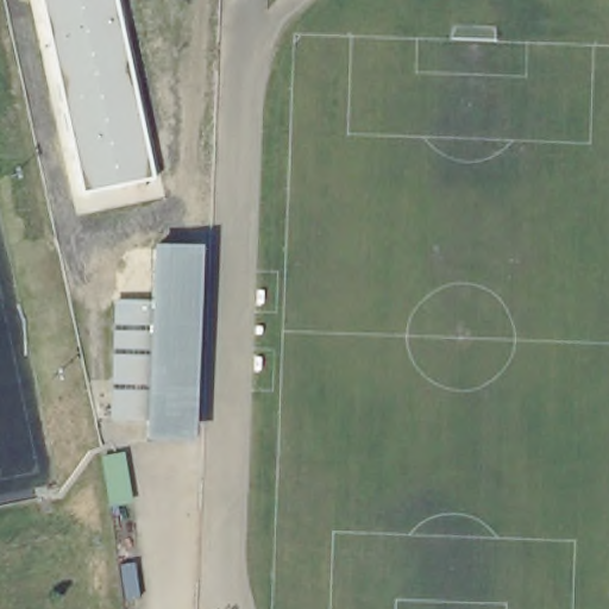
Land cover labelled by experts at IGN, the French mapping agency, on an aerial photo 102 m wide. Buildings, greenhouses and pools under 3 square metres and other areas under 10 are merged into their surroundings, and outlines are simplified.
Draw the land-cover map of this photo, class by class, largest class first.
<instances>
[{"label":"herbaceous vegetation","instance_id":"1","mask_svg":"<svg viewBox=\"0 0 609 609\"><path fill-rule=\"evenodd\" d=\"M5 0H0V609H121L119 559L114 554L112 542V507L102 466L105 457V454H95L86 471L79 476V481L67 490V495L52 500L50 514H43L40 504L33 500L36 488H52L55 483L62 485L83 457V452L100 445L95 414L88 395V385L93 383V378L88 352V309L79 297L74 300V309H69L67 302V290L59 271L55 224L48 216L45 188L40 183V171L36 162V143L31 138L33 126L26 117V98L12 95L10 62L2 45V33L7 31ZM193 0H121L157 174H176L178 167V69L181 62H186L190 48ZM257 281L264 290V305L257 312L262 335H255L257 354L262 357V371L257 373L252 385V450L245 542L247 580L255 609H609V0H314L281 31L264 93L257 257ZM209 43L205 69V109L197 126V171L209 174L214 64L221 59V45L216 40V19H209L207 24ZM136 209L133 205L86 214L81 224L86 231L117 228L121 221L131 216V212ZM114 305H109L100 316L102 369L105 378H112Z\"/></svg>","mask_w":609,"mask_h":609},{"label":"impervious surface","instance_id":"2","mask_svg":"<svg viewBox=\"0 0 609 609\"><path fill-rule=\"evenodd\" d=\"M74 207L76 212L86 214L133 205L164 195L159 174H157L90 190L83 186L79 150L71 131V114L62 86L45 0H31ZM216 40L221 45V59L214 64L209 174L214 181L209 226L221 228V250L216 247L205 252L200 362V421L205 423L200 426L197 438L205 442V450L200 471L202 495L197 504L193 609H255L247 580L245 542L252 450V385L257 373L262 371V357L257 354L255 335H262L257 312L264 305V290L257 281V257L264 93L281 31L314 0H216ZM155 250L143 247L126 252V266L117 274V288L124 290L121 297L152 300L150 290L155 281ZM95 454H105L100 445L83 452V457L62 485L55 483L52 488H36L33 500L40 504L43 514H50L52 500L67 495V490L79 481V476L86 471Z\"/></svg>","mask_w":609,"mask_h":609},{"label":"pervious surface","instance_id":"3","mask_svg":"<svg viewBox=\"0 0 609 609\"><path fill-rule=\"evenodd\" d=\"M7 31L2 33V45L10 62L12 95L26 98V117L33 126L31 138L36 143V162L40 171V183L45 188L48 216L55 224L59 271L67 290V302L69 309H74V300L79 297L88 309V352L93 378V383L88 385V395L95 414L100 445L105 454V457L124 454L131 495L138 497L133 509L124 504L112 507V542L114 554L119 559L121 609H193L197 504L202 495L200 471L205 450V442L197 438H155L147 419H138L136 423L114 421L112 378H105L102 369L100 316L109 305H114L121 297L124 290L117 288V274L126 266V252L143 247L155 250L157 245L167 243H188L205 245V252L216 247L221 250V228L209 226L214 181L209 174L197 171V126L205 109V69L209 43L207 24L209 19H216V0H193L190 48L186 62H181L178 69V167L176 174H159L164 195L133 205L136 209L131 212V216L121 221L117 228L86 231L81 224L86 214L76 212L74 207L31 0H5Z\"/></svg>","mask_w":609,"mask_h":609},{"label":"building","instance_id":"4","mask_svg":"<svg viewBox=\"0 0 609 609\"><path fill-rule=\"evenodd\" d=\"M62 86L71 114V131L79 150L83 186L90 190L157 174L121 0H45ZM155 281L150 290L152 300L121 297L114 305L112 378L114 421L136 423L138 419H147L155 438H197L200 426L205 423L200 421V362L205 252V245L188 243H167L157 245L155 250ZM102 466L112 507L124 504L133 509L138 497L131 495L124 454L105 457Z\"/></svg>","mask_w":609,"mask_h":609}]
</instances>
